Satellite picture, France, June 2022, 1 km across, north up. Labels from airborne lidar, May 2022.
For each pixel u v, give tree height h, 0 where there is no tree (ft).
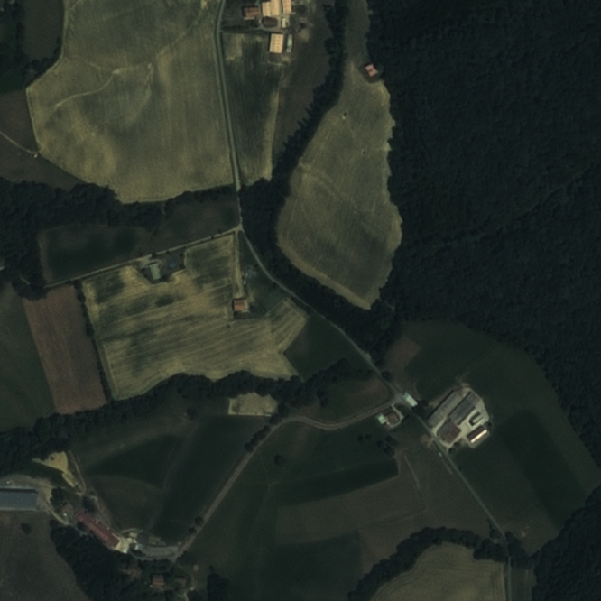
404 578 0
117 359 0
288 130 0
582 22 74
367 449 0
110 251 0
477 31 69
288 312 0
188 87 0
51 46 0
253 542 0
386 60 84
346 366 60
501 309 63
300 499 0
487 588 0
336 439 0
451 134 68
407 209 36
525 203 78
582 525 76
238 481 0
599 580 78
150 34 0
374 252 0
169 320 0
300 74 0
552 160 67
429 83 65
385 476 0
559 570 95
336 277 0
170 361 0
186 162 0
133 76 0
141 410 60
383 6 94
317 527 0
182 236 0
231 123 0
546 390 0
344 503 0
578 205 85
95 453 0
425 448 0
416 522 0
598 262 75
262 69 0
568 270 85
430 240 78
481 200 90
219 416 0
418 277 73
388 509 0
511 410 0
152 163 0
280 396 73
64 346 0
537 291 85
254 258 0
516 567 45
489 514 0
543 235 88
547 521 0
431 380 0
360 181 0
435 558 0
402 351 0
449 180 77
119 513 0
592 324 61
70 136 0
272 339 0
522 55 85
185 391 69
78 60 0
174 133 0
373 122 0
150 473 0
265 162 0
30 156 0
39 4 0
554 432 0
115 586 76
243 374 52
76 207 73
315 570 0
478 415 0
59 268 0
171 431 0
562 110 58
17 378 0
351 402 0
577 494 0
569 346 65
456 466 0
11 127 0
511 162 70
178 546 0
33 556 0
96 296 0
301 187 0
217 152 0
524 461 0
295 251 0
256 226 62
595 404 95
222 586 61
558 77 85
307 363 0
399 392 0
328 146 0
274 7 0
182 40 0
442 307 79
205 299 0
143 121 0
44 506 0
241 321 0
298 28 0
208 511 0
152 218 78
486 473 0
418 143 36
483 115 61
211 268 0
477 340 0
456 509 0
